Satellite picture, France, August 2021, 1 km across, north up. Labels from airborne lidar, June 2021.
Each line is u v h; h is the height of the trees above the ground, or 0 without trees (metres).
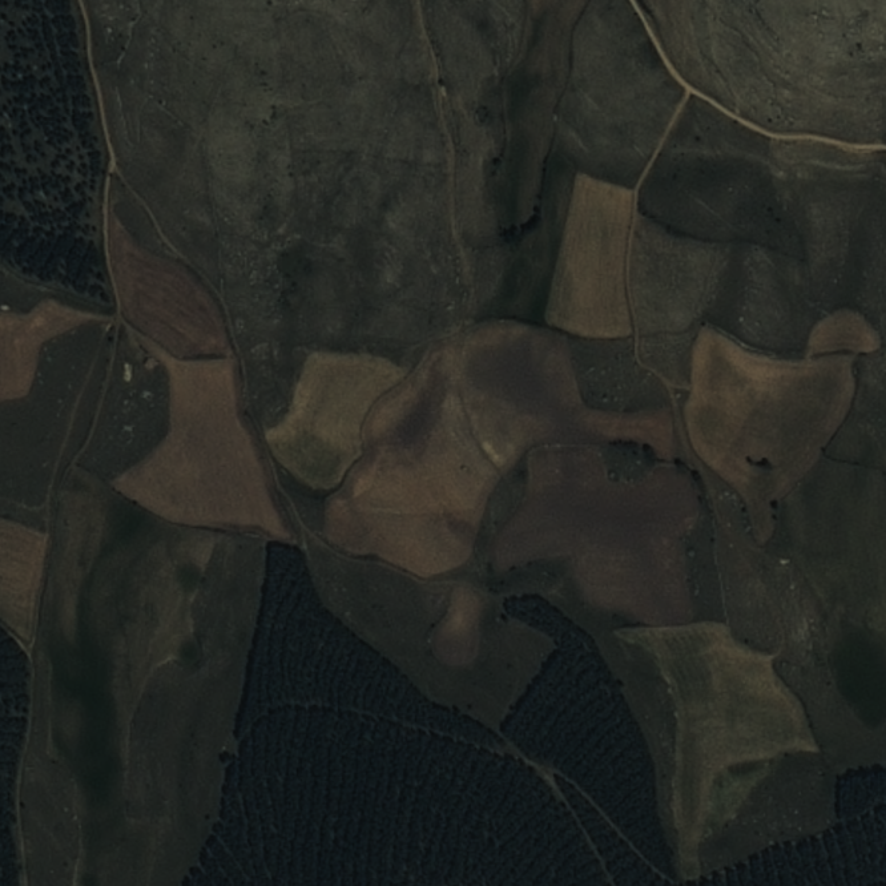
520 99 0
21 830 0
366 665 14
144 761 0
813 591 0
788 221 0
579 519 0
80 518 0
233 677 0
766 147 0
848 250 0
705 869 0
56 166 8
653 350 0
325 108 0
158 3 0
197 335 0
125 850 0
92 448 0
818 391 0
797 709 0
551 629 12
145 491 0
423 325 0
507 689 0
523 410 0
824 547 0
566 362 0
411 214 0
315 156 0
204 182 0
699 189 0
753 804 0
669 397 0
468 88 0
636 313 0
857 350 0
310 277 0
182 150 0
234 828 12
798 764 0
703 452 0
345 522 0
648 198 0
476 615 0
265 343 0
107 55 0
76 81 9
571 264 0
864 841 11
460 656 0
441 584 0
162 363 0
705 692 0
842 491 0
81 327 0
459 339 0
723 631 0
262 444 0
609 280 0
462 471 0
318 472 0
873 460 0
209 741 0
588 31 0
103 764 0
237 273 0
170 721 0
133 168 0
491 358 0
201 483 0
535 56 0
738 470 0
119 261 0
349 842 13
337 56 0
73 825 0
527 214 0
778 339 0
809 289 0
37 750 0
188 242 0
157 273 0
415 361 0
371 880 12
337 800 13
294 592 12
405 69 0
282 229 0
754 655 0
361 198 0
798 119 0
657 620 0
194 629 0
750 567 0
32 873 0
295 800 12
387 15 0
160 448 0
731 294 0
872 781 10
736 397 0
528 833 11
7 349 0
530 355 0
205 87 0
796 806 0
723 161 0
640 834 12
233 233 0
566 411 0
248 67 0
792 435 0
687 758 0
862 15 0
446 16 0
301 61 0
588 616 0
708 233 0
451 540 0
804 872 12
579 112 0
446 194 0
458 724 12
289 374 0
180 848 0
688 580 0
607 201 0
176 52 0
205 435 0
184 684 0
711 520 0
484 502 0
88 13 0
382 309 0
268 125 0
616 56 0
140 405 0
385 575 0
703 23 0
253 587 0
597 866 12
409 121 0
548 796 10
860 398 0
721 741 0
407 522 0
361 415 0
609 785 13
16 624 0
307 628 13
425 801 13
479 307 0
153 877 0
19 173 10
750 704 0
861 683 0
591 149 0
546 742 13
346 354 0
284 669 12
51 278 10
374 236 0
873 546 0
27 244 11
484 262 0
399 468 0
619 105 0
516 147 0
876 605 0
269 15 0
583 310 0
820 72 0
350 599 0
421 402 0
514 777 11
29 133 7
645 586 0
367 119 0
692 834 0
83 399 0
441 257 0
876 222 0
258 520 0
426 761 13
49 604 0
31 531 0
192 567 0
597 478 0
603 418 0
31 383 0
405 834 13
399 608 0
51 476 0
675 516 0
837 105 0
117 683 0
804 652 0
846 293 0
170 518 0
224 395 0
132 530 0
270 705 12
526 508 0
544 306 0
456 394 0
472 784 13
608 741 12
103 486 0
